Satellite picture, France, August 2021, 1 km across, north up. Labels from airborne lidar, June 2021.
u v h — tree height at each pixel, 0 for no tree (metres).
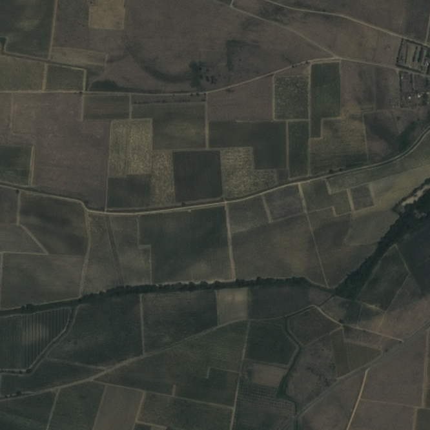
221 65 0
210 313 0
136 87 0
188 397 0
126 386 0
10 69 0
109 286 0
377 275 0
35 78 0
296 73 0
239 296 0
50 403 0
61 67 0
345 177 0
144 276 0
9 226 0
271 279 7
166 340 0
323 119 0
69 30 0
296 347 0
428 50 0
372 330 0
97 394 0
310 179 0
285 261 0
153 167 0
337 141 0
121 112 0
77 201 0
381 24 0
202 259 0
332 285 0
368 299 0
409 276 0
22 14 0
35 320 0
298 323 0
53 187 0
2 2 0
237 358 0
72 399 0
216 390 0
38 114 0
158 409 0
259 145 0
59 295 0
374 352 0
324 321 0
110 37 0
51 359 0
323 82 0
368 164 0
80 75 0
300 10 0
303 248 0
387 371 0
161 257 0
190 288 13
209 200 0
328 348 0
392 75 0
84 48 0
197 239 0
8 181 0
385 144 0
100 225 0
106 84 0
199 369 0
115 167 0
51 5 0
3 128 0
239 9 0
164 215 0
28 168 0
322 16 0
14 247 0
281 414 0
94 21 0
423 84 0
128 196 0
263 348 0
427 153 0
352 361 0
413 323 0
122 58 0
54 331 0
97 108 0
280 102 0
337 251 0
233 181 0
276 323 0
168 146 0
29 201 0
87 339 0
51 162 0
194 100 0
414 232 0
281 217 0
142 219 0
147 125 0
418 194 0
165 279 0
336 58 0
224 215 0
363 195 0
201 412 0
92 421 0
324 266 0
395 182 0
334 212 0
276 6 0
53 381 0
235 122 0
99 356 0
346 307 0
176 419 0
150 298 0
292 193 0
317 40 0
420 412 0
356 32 0
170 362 0
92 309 0
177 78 0
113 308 0
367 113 0
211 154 0
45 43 0
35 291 0
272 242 0
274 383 0
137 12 0
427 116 0
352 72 0
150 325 0
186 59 0
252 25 0
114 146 0
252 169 0
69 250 0
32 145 0
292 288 0
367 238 0
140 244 0
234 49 0
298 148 0
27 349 0
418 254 0
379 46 0
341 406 0
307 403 0
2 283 0
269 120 0
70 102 0
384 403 0
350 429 0
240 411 0
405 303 0
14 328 0
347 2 0
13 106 0
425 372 0
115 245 0
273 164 0
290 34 0
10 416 0
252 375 0
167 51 0
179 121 0
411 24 0
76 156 0
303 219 0
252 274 0
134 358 0
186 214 0
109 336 0
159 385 0
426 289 0
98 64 0
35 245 0
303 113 0
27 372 8
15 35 0
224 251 0
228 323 0
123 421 0
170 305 0
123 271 0
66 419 0
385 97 0
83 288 0
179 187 0
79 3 0
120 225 0
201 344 0
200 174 0
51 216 0
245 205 0
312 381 0
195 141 0
